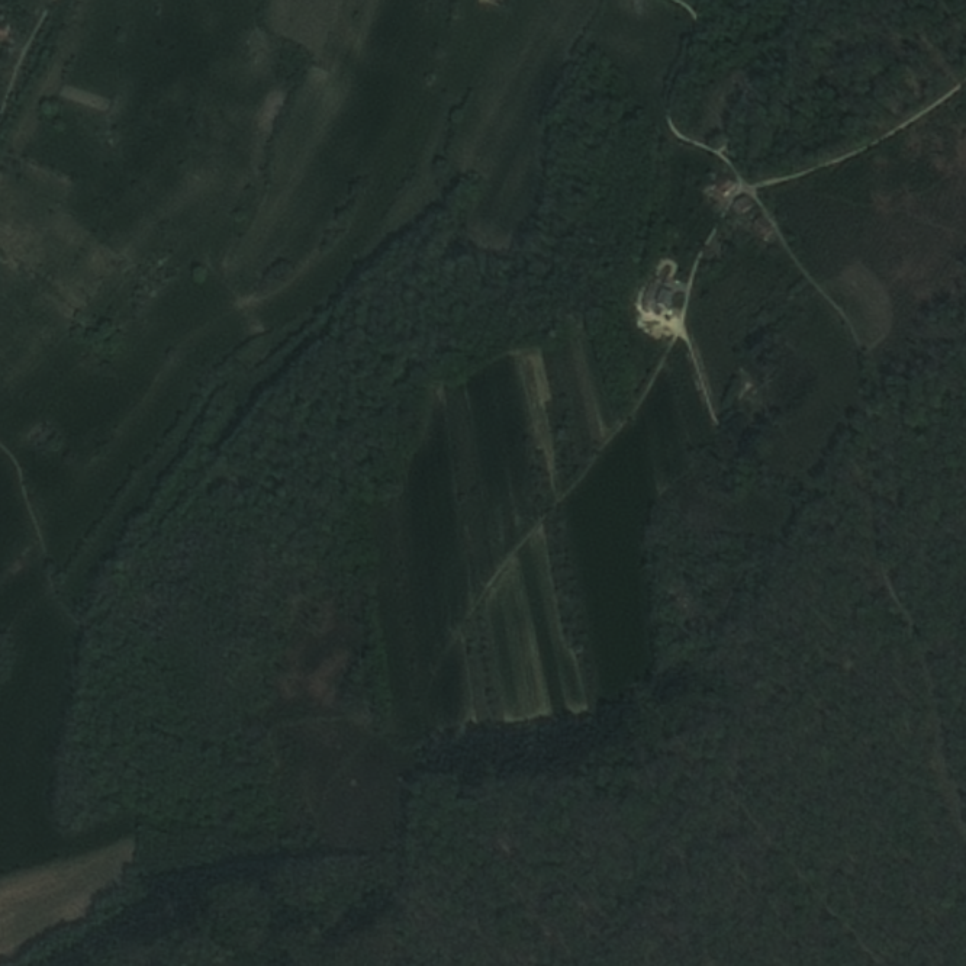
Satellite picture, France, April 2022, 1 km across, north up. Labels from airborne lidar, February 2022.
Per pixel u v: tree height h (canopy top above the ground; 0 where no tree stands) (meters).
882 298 0
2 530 0
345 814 0
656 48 0
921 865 27
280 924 22
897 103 29
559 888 28
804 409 0
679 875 25
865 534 29
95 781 21
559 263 14
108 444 8
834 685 28
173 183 0
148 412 0
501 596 0
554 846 33
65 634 0
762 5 21
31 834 0
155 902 21
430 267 31
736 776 28
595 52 13
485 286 25
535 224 8
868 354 8
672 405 0
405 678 0
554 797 31
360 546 21
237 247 0
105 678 19
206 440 12
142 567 21
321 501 28
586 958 27
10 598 0
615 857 31
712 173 8
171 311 0
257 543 19
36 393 0
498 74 0
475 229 0
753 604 29
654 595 7
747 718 28
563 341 8
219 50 0
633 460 0
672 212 0
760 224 0
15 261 0
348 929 16
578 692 0
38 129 0
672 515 7
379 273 25
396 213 0
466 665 0
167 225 6
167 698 18
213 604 11
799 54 29
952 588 28
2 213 0
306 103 0
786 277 8
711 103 0
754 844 26
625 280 17
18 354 0
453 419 0
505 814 31
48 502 0
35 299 0
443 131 0
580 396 0
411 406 23
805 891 26
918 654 25
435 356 27
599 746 25
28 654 0
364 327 24
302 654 0
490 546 0
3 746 0
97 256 0
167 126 0
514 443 0
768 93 29
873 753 27
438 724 0
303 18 0
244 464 24
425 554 0
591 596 0
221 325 0
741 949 26
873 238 0
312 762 0
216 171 0
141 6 0
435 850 25
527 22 0
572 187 23
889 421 28
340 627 0
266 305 0
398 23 0
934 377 28
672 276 0
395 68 0
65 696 0
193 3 0
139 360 0
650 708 16
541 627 0
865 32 31
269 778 27
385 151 0
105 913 17
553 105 17
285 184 0
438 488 0
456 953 27
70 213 0
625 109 23
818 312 0
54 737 0
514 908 27
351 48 0
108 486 0
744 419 24
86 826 19
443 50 13
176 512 10
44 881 0
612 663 0
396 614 0
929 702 22
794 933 27
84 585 0
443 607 0
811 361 0
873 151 8
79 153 0
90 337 11
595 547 0
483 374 0
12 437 0
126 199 0
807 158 17
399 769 0
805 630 27
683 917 25
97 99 0
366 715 23
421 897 23
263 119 0
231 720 18
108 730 21
